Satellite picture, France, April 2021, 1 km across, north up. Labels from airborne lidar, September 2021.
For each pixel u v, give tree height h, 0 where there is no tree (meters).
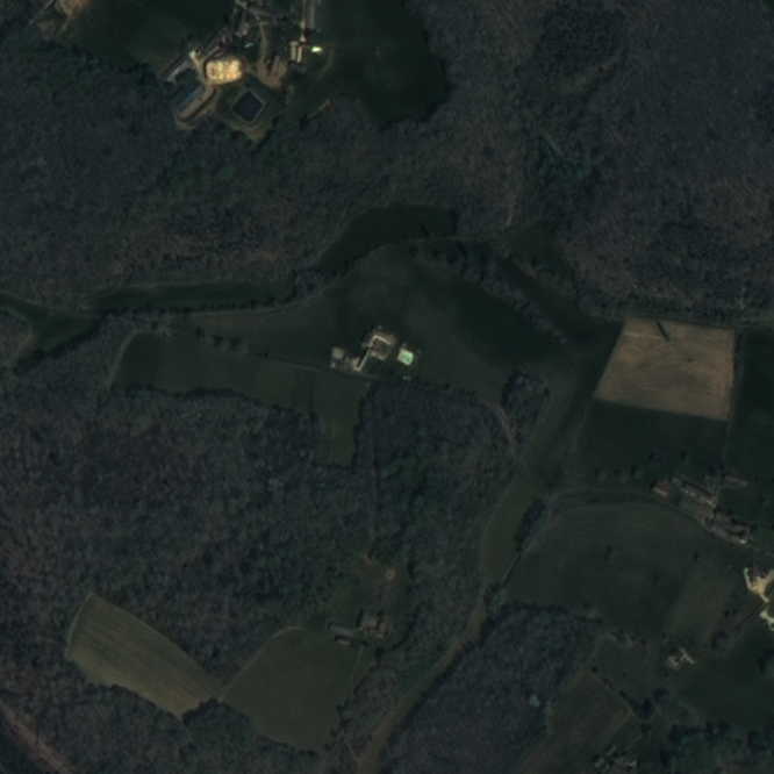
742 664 0
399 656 20
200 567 10
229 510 26
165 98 16
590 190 8
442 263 19
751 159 24
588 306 17
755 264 21
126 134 19
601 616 0
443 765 20
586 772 0
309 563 26
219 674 12
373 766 0
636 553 0
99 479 22
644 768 11
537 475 0
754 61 19
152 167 22
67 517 21
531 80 16
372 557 13
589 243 12
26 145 23
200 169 21
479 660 22
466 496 19
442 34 20
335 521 28
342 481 18
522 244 0
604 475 9
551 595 0
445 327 0
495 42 23
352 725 19
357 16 0
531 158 22
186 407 24
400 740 20
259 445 23
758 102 21
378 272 0
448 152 21
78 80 28
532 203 30
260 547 21
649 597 0
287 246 13
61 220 20
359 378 0
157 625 8
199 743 23
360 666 0
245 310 7
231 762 20
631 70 20
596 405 0
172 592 12
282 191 21
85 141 20
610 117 17
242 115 0
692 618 0
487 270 18
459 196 19
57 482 10
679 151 19
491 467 14
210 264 12
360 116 17
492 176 18
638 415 0
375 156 17
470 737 23
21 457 15
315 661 0
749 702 0
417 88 0
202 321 0
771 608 0
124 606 12
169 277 17
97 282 14
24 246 19
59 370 22
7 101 22
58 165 23
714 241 22
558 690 14
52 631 7
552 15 13
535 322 16
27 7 16
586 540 0
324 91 0
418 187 12
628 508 0
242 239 9
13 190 22
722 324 11
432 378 0
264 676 0
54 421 19
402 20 0
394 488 17
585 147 16
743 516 0
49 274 20
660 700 19
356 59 0
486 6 23
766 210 15
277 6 0
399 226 0
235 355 7
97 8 0
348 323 0
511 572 0
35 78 24
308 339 0
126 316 14
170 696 0
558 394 0
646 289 20
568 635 20
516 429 16
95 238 16
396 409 17
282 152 21
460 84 19
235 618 12
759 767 19
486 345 0
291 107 0
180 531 19
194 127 0
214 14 0
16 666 13
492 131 15
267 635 8
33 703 19
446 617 14
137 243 10
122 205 15
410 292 0
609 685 11
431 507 25
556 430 0
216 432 20
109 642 0
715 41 21
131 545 16
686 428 0
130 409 20
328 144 17
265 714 0
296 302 13
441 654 18
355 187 9
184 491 22
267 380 0
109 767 23
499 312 0
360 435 17
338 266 0
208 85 0
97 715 20
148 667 0
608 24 20
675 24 18
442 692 20
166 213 16
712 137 19
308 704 0
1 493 21
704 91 21
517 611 9
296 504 26
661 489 0
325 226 20
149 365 0
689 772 26
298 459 12
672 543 0
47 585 19
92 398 23
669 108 19
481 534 17
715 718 0
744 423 0
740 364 9
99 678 0
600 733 0
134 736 19
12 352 21
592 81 7
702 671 0
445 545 21
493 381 0
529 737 18
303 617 17
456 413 17
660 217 15
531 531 22
